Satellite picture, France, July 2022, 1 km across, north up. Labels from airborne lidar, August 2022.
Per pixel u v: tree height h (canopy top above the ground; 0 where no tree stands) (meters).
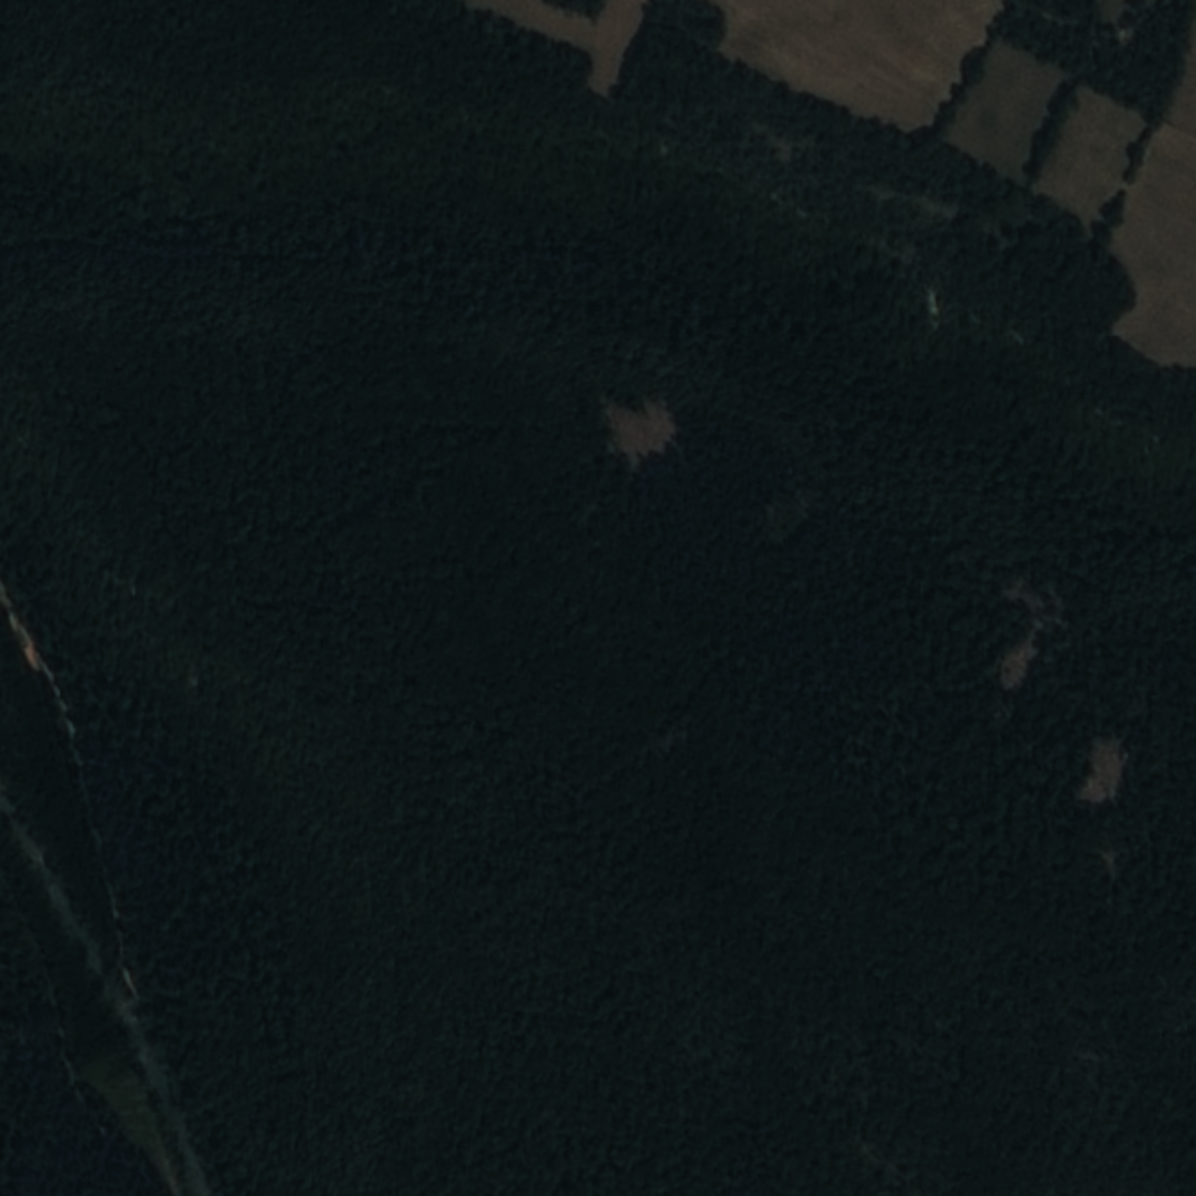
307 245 22
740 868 15
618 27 0
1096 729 11
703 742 17
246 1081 14
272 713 13
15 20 14
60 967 10
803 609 16
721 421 15
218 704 14
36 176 13
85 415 17
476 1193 15
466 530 21
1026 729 14
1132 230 0
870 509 16
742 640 17
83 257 18
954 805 11
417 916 18
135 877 16
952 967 16
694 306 21
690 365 18
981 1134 17
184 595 14
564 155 18
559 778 17
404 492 19
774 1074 15
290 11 19
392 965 12
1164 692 11
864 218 9
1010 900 15
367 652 15
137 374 19
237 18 20
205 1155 20
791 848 19
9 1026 35
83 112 12
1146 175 0
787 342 18
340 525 20
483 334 21
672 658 16
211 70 14
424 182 13
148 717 13
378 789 12
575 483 15
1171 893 11
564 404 15
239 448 20
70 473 9
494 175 12
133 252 24
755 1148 15
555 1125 16
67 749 15
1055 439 10
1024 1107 12
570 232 15
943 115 10
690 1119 12
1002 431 16
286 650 13
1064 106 16
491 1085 16
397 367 21
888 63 0
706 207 13
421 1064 16
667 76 16
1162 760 5
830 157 13
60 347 16
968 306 9
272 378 12
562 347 21
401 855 15
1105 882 12
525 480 18
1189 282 0
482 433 15
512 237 21
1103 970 18
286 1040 14
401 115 11
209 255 28
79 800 13
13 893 7
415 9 19
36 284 20
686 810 17
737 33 0
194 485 21
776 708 13
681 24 18
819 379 18
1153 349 0
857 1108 10
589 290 21
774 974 15
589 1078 15
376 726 16
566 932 14
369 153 8
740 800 15
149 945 10
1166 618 16
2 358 12
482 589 22
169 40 13
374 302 21
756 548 18
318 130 10
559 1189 16
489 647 21
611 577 17
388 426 24
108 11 14
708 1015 10
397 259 11
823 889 19
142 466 15
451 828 13
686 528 19
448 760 16
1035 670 11
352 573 16
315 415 18
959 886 14
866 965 10
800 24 0
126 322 15
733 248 23
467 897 11
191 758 9
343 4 17
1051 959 17
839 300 26
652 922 16
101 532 11
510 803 12
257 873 19
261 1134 12
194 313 17
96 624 14
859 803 16
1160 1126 12
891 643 14
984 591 19
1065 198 0
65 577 15
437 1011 14
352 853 16
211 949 12
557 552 20
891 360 12
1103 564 29
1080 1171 15
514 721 20
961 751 15
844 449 24
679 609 16
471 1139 17
